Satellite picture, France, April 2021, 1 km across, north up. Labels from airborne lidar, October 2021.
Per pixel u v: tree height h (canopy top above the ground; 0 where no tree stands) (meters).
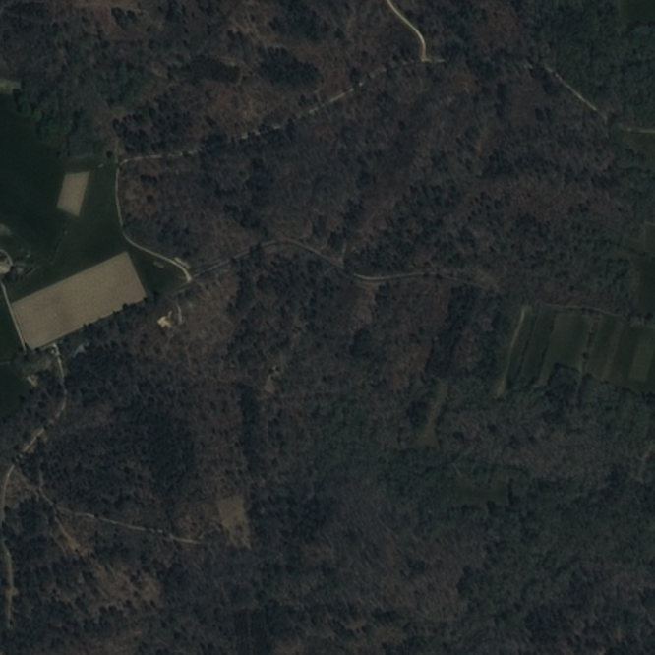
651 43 23
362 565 15
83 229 0
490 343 19
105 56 15
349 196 16
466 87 0
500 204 11
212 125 13
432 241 21
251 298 22
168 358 8
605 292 14
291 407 16
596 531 24
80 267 0
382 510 20
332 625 14
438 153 12
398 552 14
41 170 0
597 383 14
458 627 8
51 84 7
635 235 10
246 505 9
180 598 10
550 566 17
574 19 31
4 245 0
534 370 0
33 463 19
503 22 7
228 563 8
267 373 10
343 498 19
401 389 6
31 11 7
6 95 0
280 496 27
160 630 13
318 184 12
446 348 11
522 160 12
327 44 15
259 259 12
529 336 7
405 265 9
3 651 22
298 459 13
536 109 0
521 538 19
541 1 25
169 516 13
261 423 8
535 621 20
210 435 10
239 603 21
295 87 21
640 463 14
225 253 7
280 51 0
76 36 19
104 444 7
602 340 0
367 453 17
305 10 20
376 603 13
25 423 8
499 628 26
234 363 11
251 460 17
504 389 0
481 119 15
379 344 9
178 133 22
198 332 0
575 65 20
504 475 24
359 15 17
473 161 12
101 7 0
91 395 15
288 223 10
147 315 13
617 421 17
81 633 22
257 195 23
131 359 17
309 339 14
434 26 12
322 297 13
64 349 15
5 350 0
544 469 10
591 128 16
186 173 6
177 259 8
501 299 12
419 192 7
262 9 15
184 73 11
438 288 13
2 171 0
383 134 15
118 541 11
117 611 0
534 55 9
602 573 16
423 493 21
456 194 16
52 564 6
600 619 12
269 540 8
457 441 15
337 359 14
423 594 15
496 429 10
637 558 20
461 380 17
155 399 17
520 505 26
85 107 19
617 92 19
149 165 9
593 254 7
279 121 8
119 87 14
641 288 0
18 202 0
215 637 7
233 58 16
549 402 17
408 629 10
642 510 17
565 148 15
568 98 18
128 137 21
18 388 0
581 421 13
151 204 13
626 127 17
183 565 10
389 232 9
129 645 0
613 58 21
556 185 13
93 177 0
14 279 9
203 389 8
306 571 31
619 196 12
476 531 15
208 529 8
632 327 17
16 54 6
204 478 8
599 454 14
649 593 16
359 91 10
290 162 10
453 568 13
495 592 16
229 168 11
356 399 15
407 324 8
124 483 9
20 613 18
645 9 0
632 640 18
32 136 0
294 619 27
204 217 9
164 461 12
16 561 11
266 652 7
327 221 12
